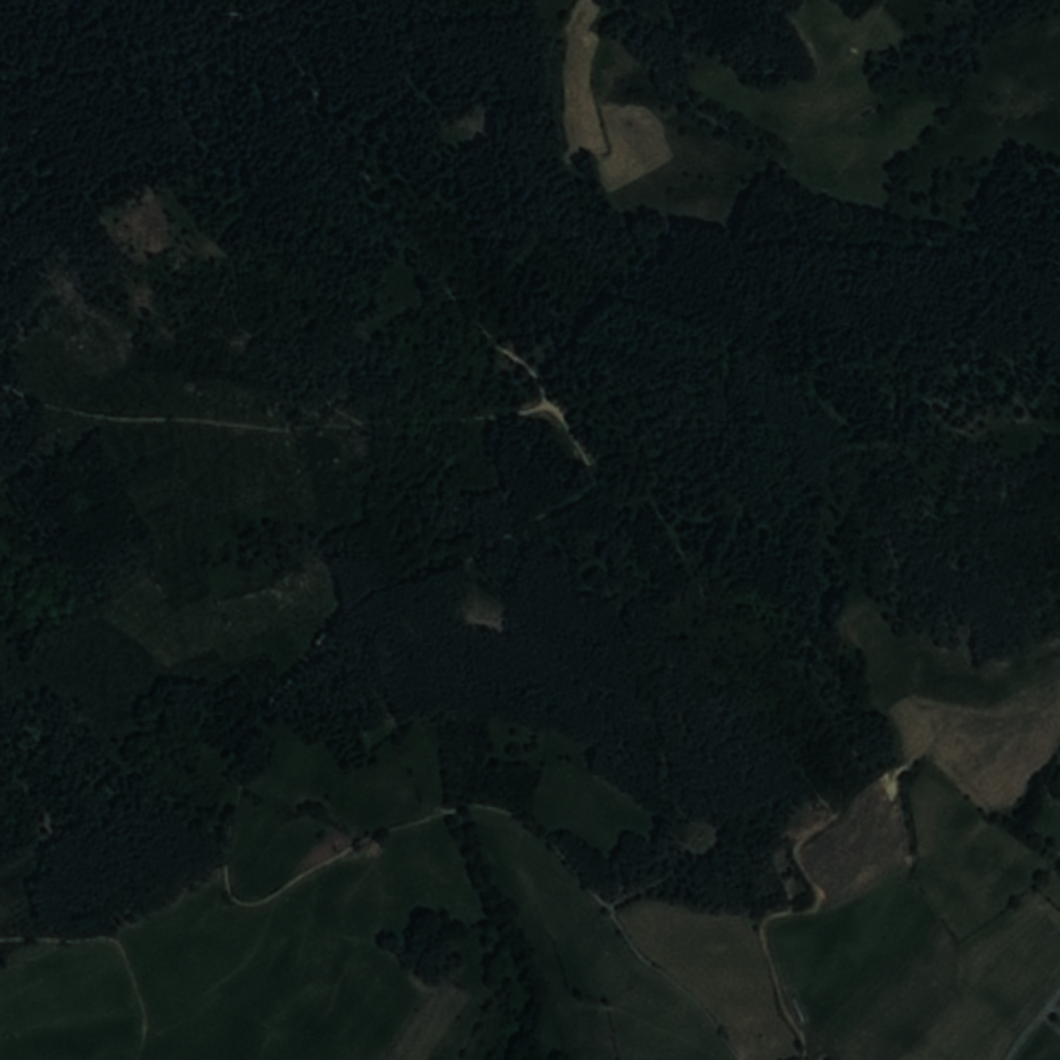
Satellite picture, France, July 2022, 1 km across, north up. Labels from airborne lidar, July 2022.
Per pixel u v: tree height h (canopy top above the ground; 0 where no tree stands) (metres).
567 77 0
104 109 22
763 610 10
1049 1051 0
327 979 0
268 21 26
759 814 7
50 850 19
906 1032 0
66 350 0
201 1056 0
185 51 24
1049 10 14
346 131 23
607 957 0
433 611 24
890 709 0
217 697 11
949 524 15
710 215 0
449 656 23
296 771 0
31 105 22
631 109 0
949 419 13
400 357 10
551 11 0
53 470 14
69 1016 0
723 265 29
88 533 18
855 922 0
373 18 24
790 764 19
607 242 17
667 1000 0
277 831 0
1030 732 0
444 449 15
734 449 17
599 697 17
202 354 6
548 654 19
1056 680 0
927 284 22
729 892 13
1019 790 0
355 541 13
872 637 0
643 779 12
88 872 21
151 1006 0
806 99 0
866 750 16
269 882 0
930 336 28
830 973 0
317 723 20
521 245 25
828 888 0
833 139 0
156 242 0
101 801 19
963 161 8
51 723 13
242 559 9
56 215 18
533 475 22
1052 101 0
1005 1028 0
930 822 0
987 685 0
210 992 0
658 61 17
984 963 0
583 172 23
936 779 0
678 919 0
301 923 0
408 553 18
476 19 26
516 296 15
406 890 0
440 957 20
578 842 13
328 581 0
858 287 26
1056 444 18
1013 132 0
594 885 12
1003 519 18
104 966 0
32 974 0
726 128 10
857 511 10
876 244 19
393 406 10
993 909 0
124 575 20
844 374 18
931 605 14
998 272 26
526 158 29
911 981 0
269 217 22
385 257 27
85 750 18
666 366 15
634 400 7
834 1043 0
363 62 29
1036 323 26
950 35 15
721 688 11
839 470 18
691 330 32
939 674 0
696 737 12
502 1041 7
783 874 8
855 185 0
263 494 0
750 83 16
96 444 12
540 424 13
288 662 0
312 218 15
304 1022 0
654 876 14
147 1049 0
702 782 13
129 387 0
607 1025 0
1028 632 14
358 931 0
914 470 15
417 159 28
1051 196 25
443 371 17
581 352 24
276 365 10
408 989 0
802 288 26
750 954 0
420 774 0
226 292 10
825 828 0
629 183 0
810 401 19
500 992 12
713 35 16
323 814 15
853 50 0
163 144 25
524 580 22
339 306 20
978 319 27
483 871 19
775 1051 0
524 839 0
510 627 19
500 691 20
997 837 0
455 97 26
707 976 0
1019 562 14
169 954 0
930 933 0
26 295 23
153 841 23
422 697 24
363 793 0
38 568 14
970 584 16
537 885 0
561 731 20
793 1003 0
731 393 20
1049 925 0
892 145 0
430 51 26
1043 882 13
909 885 0
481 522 11
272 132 27
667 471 9
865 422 10
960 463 17
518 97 20
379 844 12
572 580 14
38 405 22
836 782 6
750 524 21
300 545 14
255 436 0
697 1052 0
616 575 15
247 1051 0
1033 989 0
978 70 18
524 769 12
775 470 23
